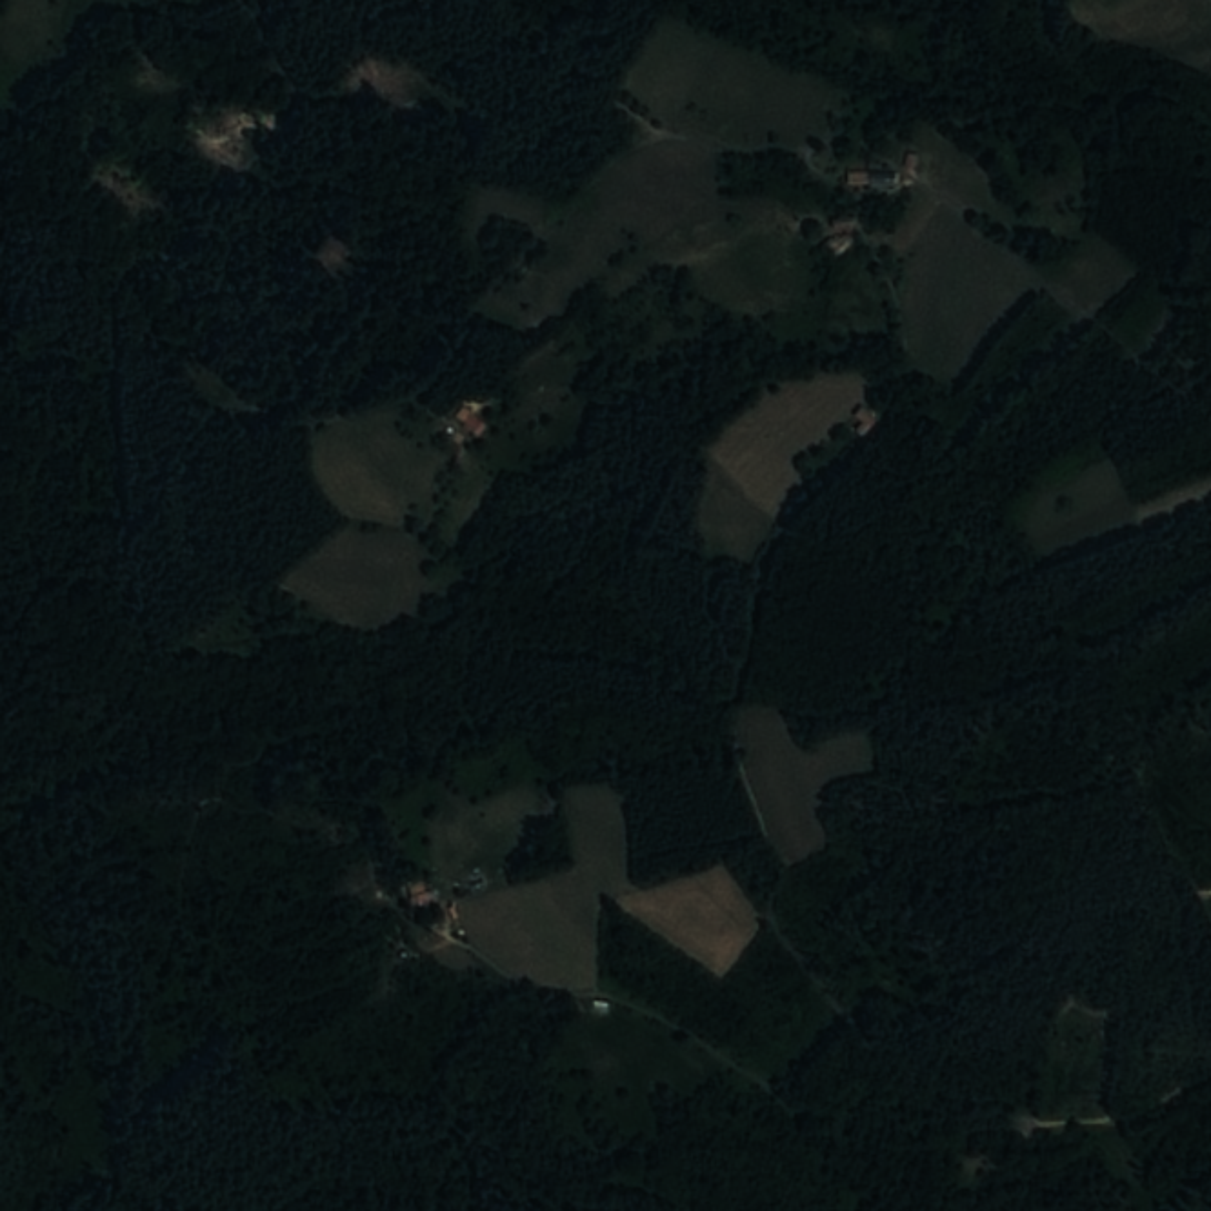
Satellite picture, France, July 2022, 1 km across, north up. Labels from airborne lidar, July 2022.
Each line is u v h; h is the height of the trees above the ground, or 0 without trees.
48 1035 11
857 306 0
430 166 26
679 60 0
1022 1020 21
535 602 6
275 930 6
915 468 16
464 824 0
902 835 15
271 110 11
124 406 30
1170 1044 17
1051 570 20
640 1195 20
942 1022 28
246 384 31
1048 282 0
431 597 10
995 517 13
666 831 13
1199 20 0
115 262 25
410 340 8
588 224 0
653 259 0
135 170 9
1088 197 13
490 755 7
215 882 18
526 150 29
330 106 24
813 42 6
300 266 34
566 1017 22
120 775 29
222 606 36
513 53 37
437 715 24
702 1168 12
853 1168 23
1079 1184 18
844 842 12
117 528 29
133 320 29
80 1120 0
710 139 0
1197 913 24
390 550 0
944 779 18
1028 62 8
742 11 16
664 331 0
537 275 0
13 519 27
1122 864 23
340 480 0
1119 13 0
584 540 18
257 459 37
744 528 0
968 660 14
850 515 25
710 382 17
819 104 0
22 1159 15
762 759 0
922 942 29
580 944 0
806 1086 23
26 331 38
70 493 17
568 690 22
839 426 8
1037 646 20
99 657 27
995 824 22
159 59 33
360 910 9
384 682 28
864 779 11
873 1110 19
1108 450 16
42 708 15
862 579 13
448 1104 23
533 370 0
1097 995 23
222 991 25
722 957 0
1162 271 8
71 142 32
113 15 27
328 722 21
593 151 29
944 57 21
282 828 0
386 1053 10
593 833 0
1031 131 19
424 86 0
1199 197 9
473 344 24
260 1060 10
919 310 0
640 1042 0
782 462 0
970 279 0
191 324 25
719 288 0
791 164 13
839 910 19
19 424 32
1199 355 14
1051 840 22
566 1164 17
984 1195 14
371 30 35
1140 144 17
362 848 7
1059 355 16
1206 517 20
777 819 0
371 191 24
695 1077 0
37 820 20
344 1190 23
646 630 8
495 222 14
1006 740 6
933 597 11
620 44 33
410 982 8
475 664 20
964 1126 18
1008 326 19
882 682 6
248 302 35
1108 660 26
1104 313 7
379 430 0
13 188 23
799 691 13
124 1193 20
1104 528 0
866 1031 30
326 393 25
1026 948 21
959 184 0
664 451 25
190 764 30
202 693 14
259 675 23
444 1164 28
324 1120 33
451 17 38
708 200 0
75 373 19
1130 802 18
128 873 26
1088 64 6
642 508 19
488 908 0
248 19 17
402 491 0
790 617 13
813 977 22
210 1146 33
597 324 12
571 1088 0
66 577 14
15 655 23
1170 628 21
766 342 12
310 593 0
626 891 0
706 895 0
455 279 12
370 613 0
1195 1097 18
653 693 19
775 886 20
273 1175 32
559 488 21
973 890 23
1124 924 20
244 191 33
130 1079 33
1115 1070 23
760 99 0
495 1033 21
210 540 41
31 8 0
